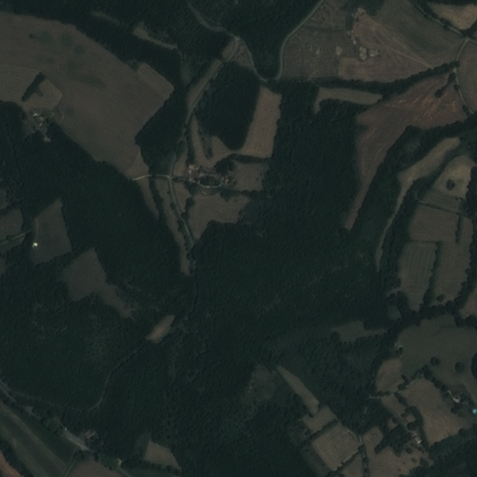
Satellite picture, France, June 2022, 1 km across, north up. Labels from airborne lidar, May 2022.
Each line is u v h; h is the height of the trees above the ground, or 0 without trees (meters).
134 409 8
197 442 8
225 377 8
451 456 10
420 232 0
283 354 7
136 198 14
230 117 12
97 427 13
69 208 12
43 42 0
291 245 9
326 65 0
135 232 13
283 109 10
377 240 6
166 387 16
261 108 0
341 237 12
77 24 11
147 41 10
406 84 8
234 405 9
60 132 15
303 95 12
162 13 9
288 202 13
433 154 0
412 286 0
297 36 0
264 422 14
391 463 0
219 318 12
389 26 0
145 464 14
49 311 10
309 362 8
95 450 15
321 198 14
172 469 16
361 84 8
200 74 14
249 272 9
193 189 12
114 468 27
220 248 10
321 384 7
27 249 12
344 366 13
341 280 8
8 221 0
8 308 11
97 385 8
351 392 11
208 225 8
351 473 0
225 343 9
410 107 0
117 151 0
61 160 12
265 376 0
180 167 0
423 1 17
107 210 11
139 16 10
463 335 0
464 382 0
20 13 12
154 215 16
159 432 16
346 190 10
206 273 11
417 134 8
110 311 8
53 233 0
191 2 10
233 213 0
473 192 13
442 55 0
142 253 10
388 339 16
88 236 15
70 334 10
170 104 14
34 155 13
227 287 8
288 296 9
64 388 12
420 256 0
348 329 0
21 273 15
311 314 10
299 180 8
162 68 13
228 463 8
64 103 0
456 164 0
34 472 0
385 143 0
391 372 0
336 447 0
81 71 0
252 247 7
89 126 0
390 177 12
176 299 15
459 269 0
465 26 0
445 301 0
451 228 0
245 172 0
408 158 10
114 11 13
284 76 0
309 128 11
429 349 0
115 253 12
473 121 15
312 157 14
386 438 10
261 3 8
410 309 7
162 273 10
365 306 17
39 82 10
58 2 14
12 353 9
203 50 10
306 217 12
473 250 17
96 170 13
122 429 12
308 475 9
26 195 15
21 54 0
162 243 11
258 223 6
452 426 0
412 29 0
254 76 12
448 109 0
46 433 0
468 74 0
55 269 7
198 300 14
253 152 0
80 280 0
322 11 0
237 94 13
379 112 0
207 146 0
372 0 0
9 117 16
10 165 13
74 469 0
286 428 11
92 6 12
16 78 0
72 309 10
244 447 10
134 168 0
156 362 10
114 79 0
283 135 10
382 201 9
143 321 7
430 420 0
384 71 0
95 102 0
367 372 8
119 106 0
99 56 0
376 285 10
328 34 0
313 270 7
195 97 0
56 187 13
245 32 11
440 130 11
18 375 10
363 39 0
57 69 0
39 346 9
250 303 7
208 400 9
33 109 0
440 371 0
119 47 12
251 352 11
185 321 11
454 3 11
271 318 10
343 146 8
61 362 8
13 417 0
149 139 14
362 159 0
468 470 11
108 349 8
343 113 10
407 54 0
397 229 17
